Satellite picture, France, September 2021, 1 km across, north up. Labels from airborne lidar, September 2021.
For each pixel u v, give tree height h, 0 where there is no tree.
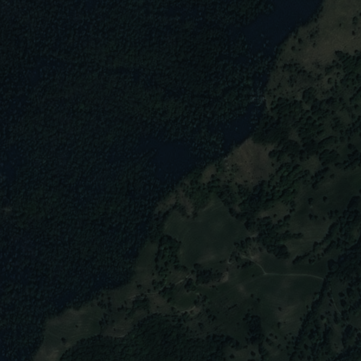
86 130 23
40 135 25
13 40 8
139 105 24
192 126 16
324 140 9
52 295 24
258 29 15
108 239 21
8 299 22
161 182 18
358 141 0
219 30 18
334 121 11
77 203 22
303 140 17
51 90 22
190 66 19
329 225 0
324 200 14
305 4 11
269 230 18
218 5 16
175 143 20
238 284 0
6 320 22
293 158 15
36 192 17
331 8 0
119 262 16
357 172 0
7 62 15
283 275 0
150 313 11
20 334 18
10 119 23
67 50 22
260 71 21
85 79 24
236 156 0
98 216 19
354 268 21
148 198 22
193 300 0
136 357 21
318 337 19
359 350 19
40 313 18
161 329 26
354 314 16
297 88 0
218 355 27
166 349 18
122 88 17
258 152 0
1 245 28
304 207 0
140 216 21
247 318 16
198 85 22
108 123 24
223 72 17
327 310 0
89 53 21
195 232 0
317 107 14
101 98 26
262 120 11
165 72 26
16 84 8
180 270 17
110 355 23
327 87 0
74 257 21
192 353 11
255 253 0
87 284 24
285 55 0
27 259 27
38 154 24
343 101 15
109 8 23
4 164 19
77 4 24
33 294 16
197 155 22
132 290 0
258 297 0
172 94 9
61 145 19
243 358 0
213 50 21
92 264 23
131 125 21
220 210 0
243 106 14
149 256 0
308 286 0
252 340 10
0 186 14
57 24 20
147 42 24
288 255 17
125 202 23
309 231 0
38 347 15
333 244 17
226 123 21
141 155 21
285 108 16
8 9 20
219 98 7
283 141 19
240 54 13
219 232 0
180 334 19
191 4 23
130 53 23
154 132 24
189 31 9
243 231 0
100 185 20
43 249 26
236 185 11
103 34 24
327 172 19
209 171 0
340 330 0
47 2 11
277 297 0
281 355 0
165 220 19
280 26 10
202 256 0
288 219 16
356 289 19
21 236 24
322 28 0
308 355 0
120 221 22
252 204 26
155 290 14
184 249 0
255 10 23
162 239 19
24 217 22
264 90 7
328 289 15
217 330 7
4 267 12
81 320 0
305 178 13
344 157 0
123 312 11
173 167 20
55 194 28
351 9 0
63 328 0
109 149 21
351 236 14
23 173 27
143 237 14
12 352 20
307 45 0
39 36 15
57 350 0
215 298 0
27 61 8
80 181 20
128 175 22
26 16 25
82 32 21
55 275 22
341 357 6
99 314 0
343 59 15
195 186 15
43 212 23
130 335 15
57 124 16
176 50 23
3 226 23
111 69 12
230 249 0
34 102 29
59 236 17
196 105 17
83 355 22
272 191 13
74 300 16
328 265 0
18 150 28
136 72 18
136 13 27
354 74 15
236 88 17
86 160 23
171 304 14
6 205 7
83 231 25
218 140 17
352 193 0
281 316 0
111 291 11
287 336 6
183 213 12
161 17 22
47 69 21
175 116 11
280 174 13
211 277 21
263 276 0
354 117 13
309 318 20
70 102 19
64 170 26
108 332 0
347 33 0
